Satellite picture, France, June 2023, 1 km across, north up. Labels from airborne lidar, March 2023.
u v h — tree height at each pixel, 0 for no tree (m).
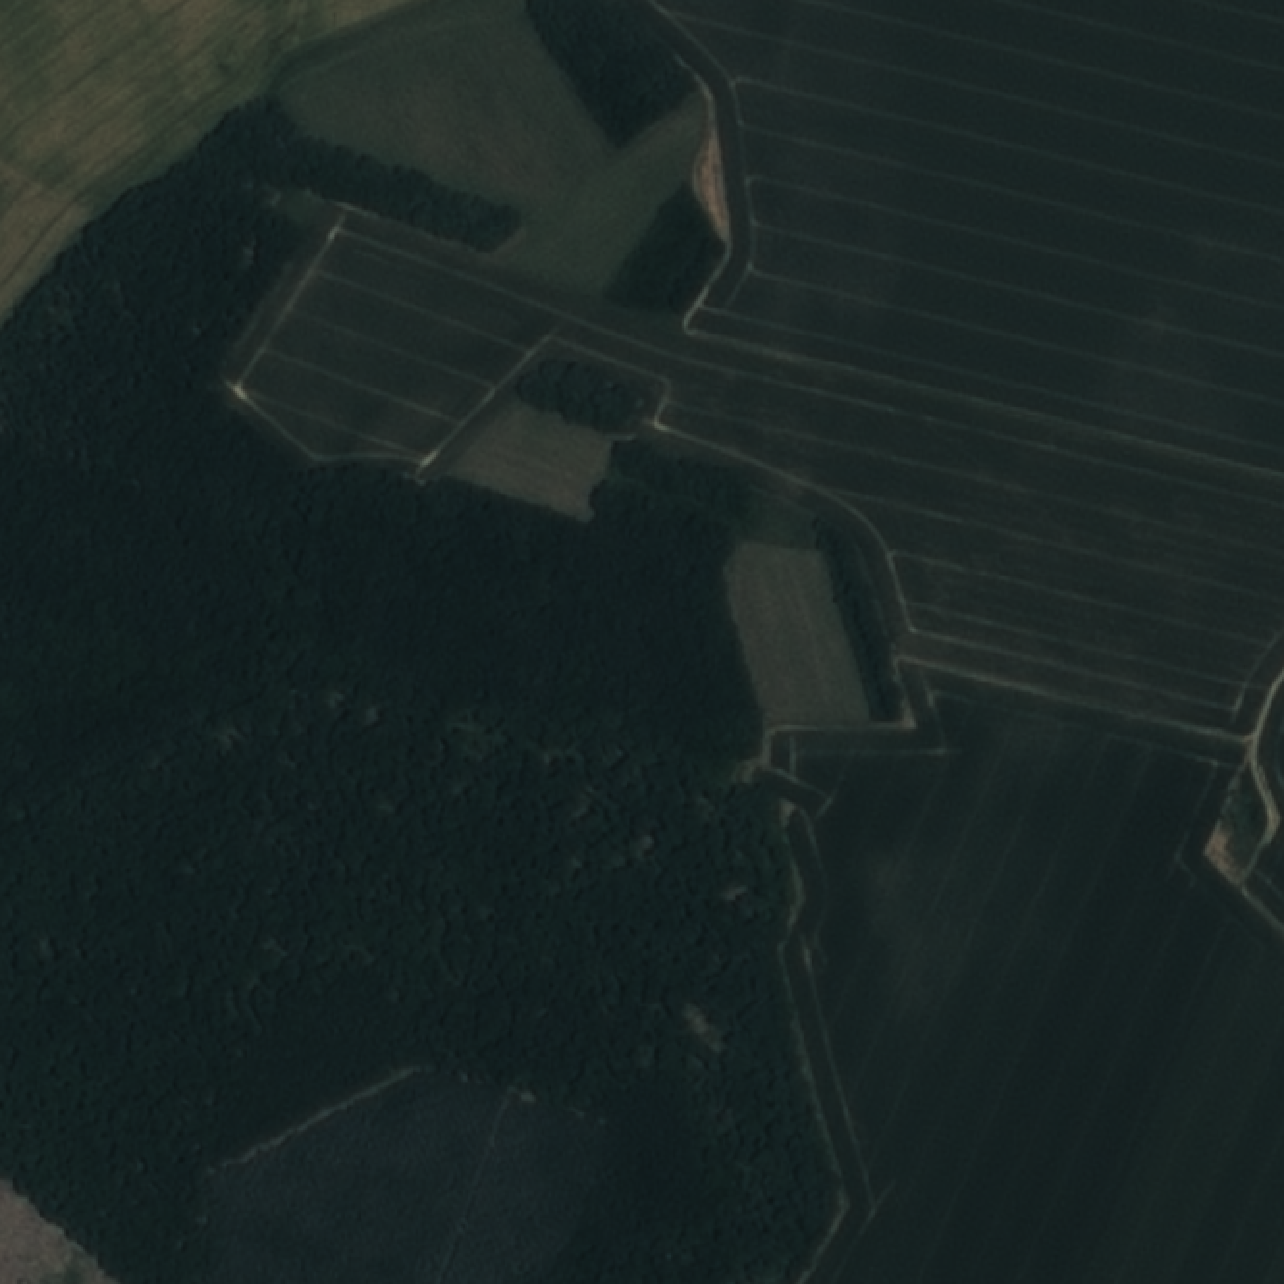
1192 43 0
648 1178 12
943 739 0
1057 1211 0
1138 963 0
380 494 18
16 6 0
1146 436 0
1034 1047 0
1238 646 0
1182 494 0
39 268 0
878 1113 0
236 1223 11
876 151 0
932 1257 0
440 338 0
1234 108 0
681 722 16
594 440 0
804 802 0
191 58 0
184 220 18
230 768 15
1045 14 0
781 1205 22
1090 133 0
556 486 0
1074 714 0
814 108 0
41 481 9
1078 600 0
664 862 23
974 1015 0
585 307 0
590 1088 19
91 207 0
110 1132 16
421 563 15
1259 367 0
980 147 0
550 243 0
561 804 23
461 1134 12
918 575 0
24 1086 20
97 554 12
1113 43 0
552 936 20
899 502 0
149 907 21
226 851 16
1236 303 0
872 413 0
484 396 0
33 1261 0
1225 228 0
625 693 13
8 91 0
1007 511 0
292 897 19
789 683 0
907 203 0
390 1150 12
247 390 0
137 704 10
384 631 15
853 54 0
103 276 19
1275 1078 0
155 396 19
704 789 21
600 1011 18
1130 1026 0
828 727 0
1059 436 0
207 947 18
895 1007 0
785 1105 22
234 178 8
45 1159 20
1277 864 0
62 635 15
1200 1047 0
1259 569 0
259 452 15
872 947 0
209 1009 17
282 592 20
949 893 0
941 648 0
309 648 20
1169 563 0
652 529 14
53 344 18
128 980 18
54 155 0
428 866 21
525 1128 13
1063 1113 0
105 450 16
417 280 0
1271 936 0
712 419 0
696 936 23
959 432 0
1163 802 0
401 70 0
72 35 0
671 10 0
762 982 18
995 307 0
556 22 14
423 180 16
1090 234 0
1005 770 0
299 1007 10
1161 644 0
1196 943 0
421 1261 14
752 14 0
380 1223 11
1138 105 0
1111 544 0
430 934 17
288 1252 10
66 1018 21
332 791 17
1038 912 0
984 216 0
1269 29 0
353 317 0
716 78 0
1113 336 0
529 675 16
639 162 0
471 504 11
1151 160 0
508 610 14
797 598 0
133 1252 19
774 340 0
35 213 0
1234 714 0
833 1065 0
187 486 15
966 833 0
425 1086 8
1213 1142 0
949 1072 0
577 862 23
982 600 0
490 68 0
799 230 0
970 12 0
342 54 0
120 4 0
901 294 0
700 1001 21
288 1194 12
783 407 0
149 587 11
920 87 0
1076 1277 0
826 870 0
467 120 0
